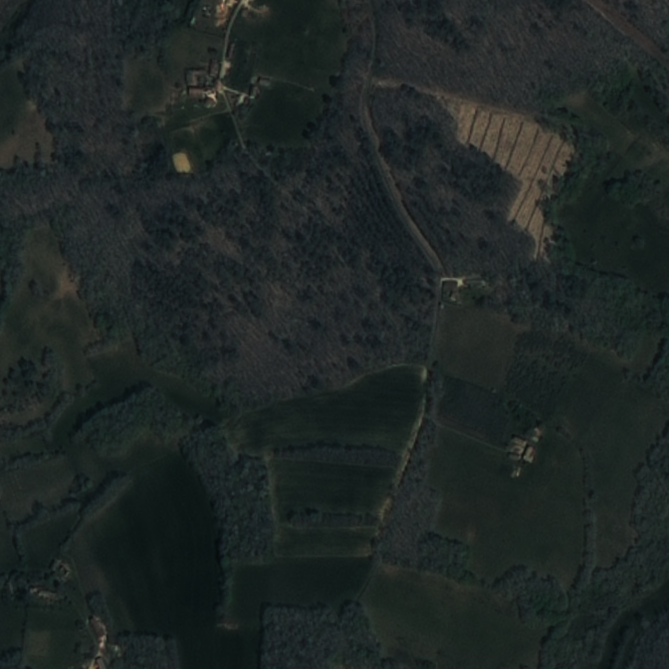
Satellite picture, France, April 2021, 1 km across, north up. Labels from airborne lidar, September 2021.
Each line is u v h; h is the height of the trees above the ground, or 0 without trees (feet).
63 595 20
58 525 0
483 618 0
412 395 0
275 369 56
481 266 48
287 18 0
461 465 0
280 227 72
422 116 66
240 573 0
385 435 0
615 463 0
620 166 0
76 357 0
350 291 60
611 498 0
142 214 67
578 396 0
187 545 0
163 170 68
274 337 58
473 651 0
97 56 30
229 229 88
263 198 90
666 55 52
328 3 0
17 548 40
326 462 44
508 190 62
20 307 0
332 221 55
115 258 61
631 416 0
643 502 57
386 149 42
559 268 55
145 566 0
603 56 58
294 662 59
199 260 93
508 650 0
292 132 0
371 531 0
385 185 37
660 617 56
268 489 72
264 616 51
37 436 43
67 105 62
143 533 0
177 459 0
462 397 0
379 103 59
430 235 53
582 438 0
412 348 56
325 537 0
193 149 0
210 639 0
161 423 79
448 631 0
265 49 0
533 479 0
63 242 54
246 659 0
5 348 0
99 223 71
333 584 0
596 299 76
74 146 60
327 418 0
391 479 0
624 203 43
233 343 48
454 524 0
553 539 0
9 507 0
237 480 69
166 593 0
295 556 0
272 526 76
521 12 67
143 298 91
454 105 0
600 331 82
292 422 0
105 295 80
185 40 0
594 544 44
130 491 0
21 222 64
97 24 45
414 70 38
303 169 26
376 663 65
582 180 72
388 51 39
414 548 69
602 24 61
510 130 0
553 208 61
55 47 65
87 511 56
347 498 0
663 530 56
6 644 0
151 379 0
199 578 0
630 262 0
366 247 54
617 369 0
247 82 23
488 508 0
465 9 64
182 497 0
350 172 104
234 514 51
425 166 53
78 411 0
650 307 50
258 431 0
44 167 40
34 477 0
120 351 0
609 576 61
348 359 39
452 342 0
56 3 41
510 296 56
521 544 0
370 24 39
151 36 46
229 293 81
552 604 76
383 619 0
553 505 0
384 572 0
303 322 59
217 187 66
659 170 0
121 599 0
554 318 82
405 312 62
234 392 54
